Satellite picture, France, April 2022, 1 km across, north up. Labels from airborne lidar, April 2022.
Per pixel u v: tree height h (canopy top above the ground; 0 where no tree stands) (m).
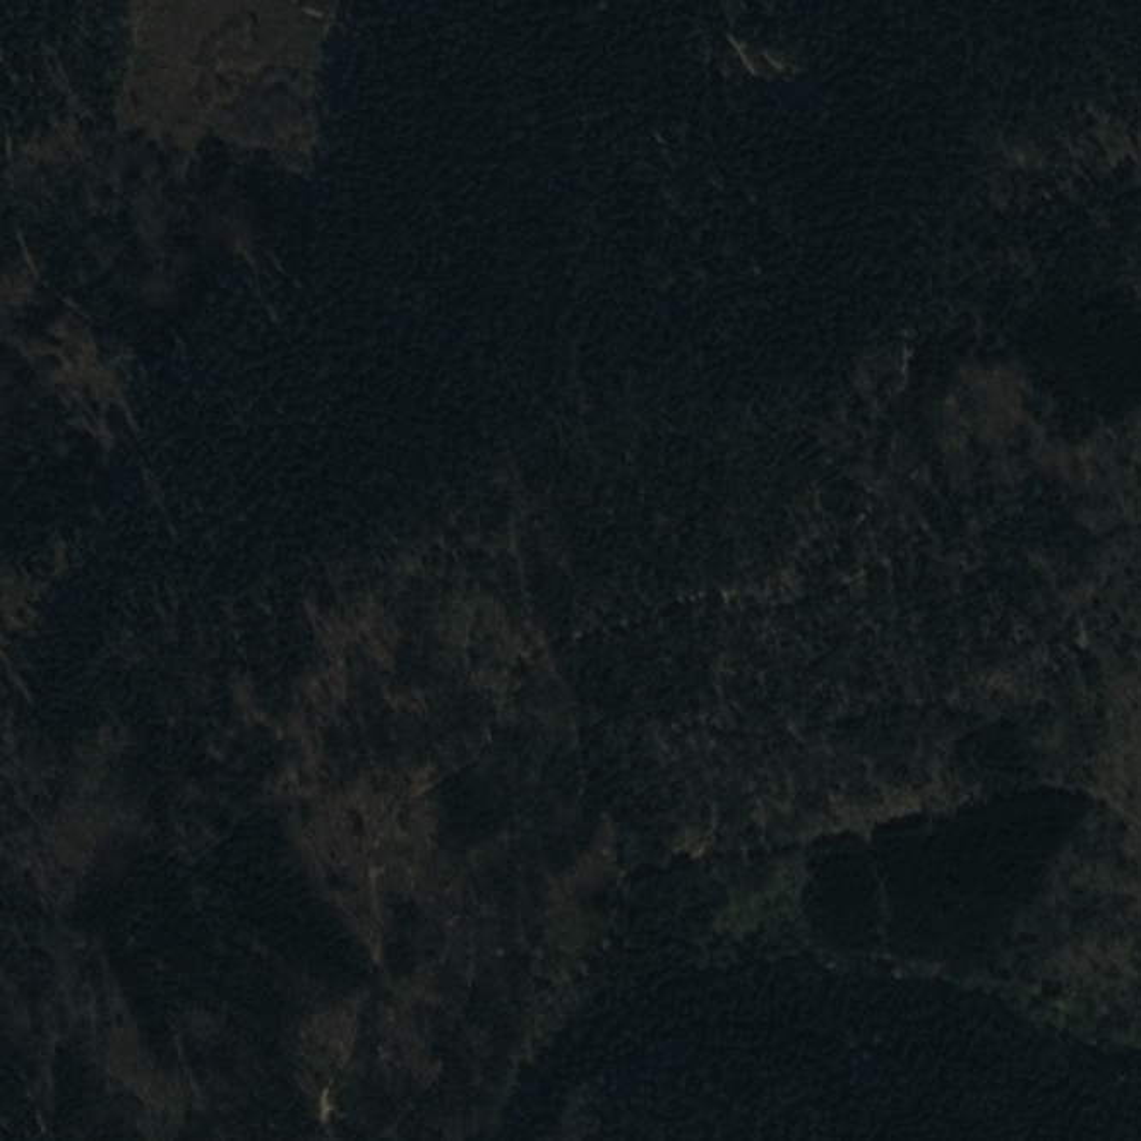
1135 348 23
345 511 27
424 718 23
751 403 25
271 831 29
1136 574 28
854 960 25
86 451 10
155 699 26
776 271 31
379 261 32
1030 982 15
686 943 29
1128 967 13
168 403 33
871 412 16
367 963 23
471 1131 19
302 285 9
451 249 23
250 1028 22
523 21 28
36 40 27
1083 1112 36
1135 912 12
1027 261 26
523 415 22
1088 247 25
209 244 14
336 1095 15
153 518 30
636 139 27
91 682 20
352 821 26
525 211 23
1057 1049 30
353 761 23
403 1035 19
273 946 23
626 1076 31
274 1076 20
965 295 29
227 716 31
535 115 25
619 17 26
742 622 23
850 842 17
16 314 27
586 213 33
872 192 28
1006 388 25
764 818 22
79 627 22
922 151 27
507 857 21
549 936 18
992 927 22
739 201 35
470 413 24
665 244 34
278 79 7
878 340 25
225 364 14
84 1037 26
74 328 16
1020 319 22
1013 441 24
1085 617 25
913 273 35
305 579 25
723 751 25
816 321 33
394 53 32
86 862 19
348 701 25
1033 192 10
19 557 24
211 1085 22
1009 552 25
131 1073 23
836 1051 31
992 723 18
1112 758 18
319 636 27
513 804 20
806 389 20
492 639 27
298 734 27
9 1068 27
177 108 0
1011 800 20
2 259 27
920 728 26
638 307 33
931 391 17
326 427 31
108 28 27
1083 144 26
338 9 18
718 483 26
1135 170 19
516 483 24
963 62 20
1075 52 30
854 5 34
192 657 22
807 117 29
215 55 10
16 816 19
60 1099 27
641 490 24
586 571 19
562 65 27
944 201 32
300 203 9
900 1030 35
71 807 14
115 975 23
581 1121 25
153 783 25
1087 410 17
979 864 20
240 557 33
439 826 25
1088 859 20
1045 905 20
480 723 22
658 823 26
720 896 31
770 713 24
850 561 21
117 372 10
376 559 25
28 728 24
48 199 28
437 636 21
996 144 23
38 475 11
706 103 30
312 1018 23
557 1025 26
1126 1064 28
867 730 23
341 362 28
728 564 21
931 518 16
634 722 23
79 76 27
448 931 24
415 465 23
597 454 24
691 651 25
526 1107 24
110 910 27
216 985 26
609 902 13
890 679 24
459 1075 22
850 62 27
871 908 18
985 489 29
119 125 36
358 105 32
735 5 17
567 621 16
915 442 16
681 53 33
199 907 22
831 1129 35
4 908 23
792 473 26
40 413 14
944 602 25
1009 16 25
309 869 25
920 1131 29
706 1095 29
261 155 9
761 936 14
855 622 24
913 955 23
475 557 21
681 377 32
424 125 26
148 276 15
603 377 26
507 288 23
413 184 31
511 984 22
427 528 17
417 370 22
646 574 24
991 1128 31
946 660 27
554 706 23
